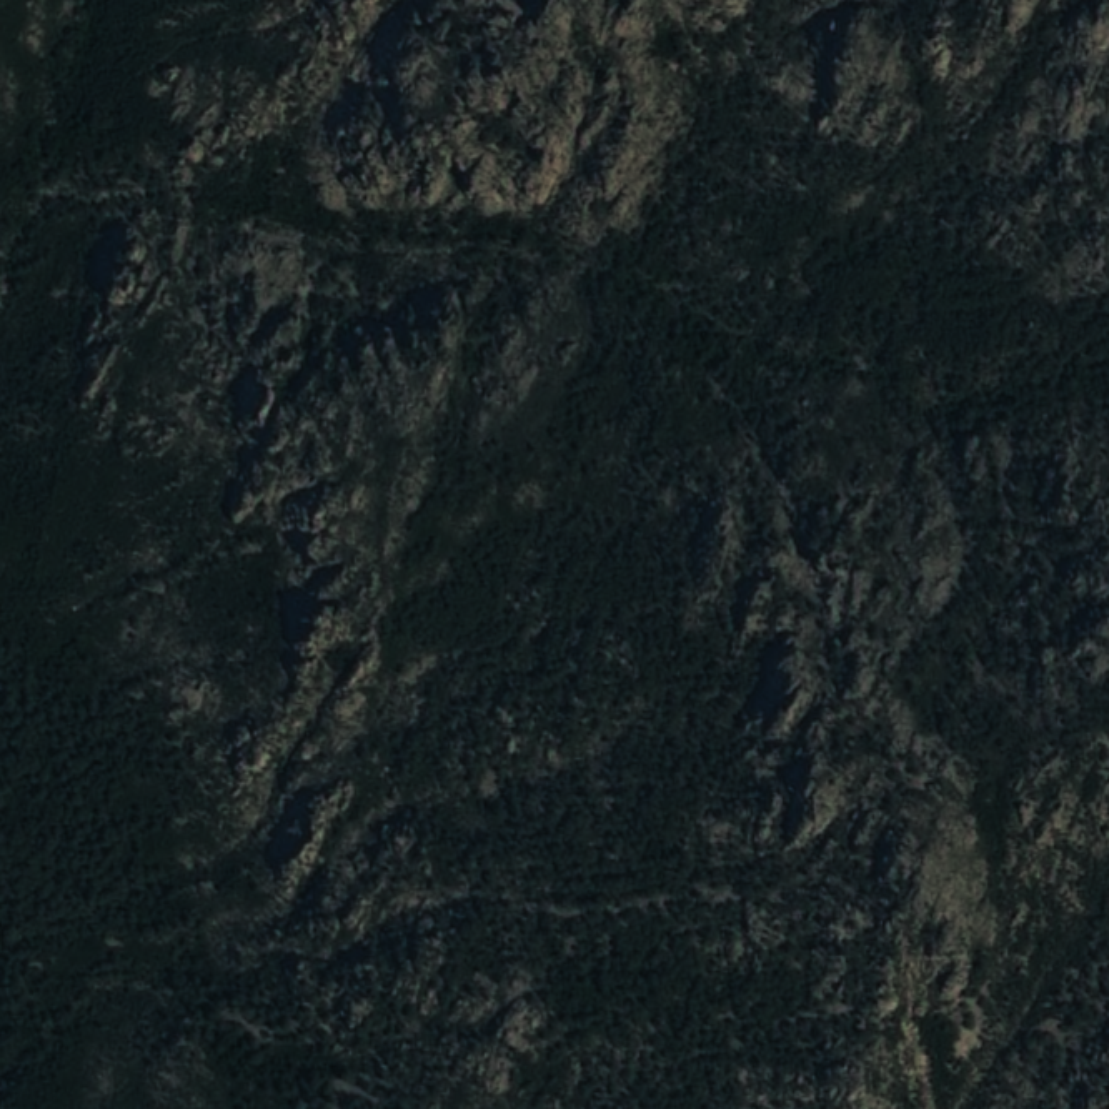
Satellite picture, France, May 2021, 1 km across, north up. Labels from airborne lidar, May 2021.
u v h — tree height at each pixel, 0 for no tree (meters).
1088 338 15
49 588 9
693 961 18
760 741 13
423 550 15
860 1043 12
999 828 9
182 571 16
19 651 15
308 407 6
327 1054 14
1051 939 7
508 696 17
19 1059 8
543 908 18
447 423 6
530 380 0
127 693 15
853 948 16
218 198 8
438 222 15
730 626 18
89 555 10
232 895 17
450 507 17
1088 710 11
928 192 13
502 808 19
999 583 18
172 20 6
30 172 19
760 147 14
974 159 19
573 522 12
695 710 17
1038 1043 18
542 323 0
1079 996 17
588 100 12
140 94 10
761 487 18
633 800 20
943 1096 7
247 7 7
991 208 11
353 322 10
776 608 11
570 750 8
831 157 13
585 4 7
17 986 23
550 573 13
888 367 22
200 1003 23
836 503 10
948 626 17
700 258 8
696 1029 14
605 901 17
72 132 12
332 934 10
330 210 10
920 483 13
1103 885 6
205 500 8
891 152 11
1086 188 11
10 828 11
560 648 19
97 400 7
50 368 10
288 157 13
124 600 11
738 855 17
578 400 12
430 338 13
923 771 13
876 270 22
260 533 7
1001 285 21
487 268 8
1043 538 12
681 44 24
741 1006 15
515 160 6
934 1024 9
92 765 10
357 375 8
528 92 10
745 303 13
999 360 10
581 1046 15
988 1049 6
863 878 19
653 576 11
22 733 22
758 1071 15
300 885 6
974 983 19
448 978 13
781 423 13
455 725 13
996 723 20
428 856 8
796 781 12
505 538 14
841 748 11
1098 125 13
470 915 16
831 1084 13
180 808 14
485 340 18
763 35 9
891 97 6
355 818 12
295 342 9
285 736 9
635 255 15
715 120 20
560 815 17
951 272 16
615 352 14
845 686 12
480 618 15
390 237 26
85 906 15
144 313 7
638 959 18
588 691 16
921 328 15
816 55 9
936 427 16
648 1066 13
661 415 13
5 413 18
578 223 8
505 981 15
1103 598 7
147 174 21
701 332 13
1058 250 17
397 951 15
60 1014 16
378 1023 18
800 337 14
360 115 7
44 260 15
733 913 17
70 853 22
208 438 0
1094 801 8
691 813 16
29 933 22
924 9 17
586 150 8
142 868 21
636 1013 20
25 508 7
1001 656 18
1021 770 8
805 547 16
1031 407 17
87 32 9
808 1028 16
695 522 14
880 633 17
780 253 12
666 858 14
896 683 15
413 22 10
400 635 18
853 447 16
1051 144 13
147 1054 15
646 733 20
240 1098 15
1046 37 12
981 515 12
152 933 13
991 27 9
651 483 13
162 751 5
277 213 17
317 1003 16
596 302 15
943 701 18
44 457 6
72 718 15
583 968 21
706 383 8
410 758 14
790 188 13
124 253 8
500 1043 12
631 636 12
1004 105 17
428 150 8
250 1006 11
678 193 17
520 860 12
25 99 12
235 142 8
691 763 18
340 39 7
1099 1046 12
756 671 19
